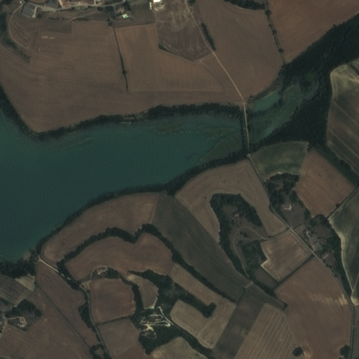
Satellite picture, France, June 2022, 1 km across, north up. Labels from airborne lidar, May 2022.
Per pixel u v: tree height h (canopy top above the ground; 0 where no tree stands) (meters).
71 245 0
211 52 0
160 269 0
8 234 0
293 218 0
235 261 7
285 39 0
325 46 12
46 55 0
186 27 0
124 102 0
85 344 0
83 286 6
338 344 0
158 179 0
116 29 0
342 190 0
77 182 0
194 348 10
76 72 0
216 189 0
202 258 0
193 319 0
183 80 0
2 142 0
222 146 0
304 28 0
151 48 0
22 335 0
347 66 0
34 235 0
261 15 0
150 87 0
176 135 0
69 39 0
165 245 9
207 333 0
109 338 0
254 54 0
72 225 0
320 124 7
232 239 0
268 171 0
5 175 0
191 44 0
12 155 0
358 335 0
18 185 0
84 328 0
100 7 12
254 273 0
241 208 8
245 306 0
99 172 0
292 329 0
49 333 0
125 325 0
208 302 0
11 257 0
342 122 0
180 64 0
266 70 0
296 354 9
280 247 0
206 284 8
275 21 0
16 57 0
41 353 0
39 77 0
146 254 0
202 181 0
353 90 0
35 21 0
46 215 0
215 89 0
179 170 0
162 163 0
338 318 0
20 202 0
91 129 0
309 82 17
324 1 0
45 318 0
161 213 0
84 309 9
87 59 0
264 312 0
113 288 0
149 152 0
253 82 0
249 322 0
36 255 8
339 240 9
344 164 13
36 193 0
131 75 0
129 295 0
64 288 0
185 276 0
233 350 0
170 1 0
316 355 0
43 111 0
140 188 10
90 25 0
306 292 0
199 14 0
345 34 18
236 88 0
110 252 0
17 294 0
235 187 0
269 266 0
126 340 0
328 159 0
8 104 11
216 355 0
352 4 0
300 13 0
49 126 0
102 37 0
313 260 0
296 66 10
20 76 0
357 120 0
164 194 0
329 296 0
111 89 0
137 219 0
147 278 9
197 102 0
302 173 0
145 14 0
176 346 0
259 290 0
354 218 0
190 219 0
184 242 0
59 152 0
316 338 0
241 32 0
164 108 12
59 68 0
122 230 12
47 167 0
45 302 0
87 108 0
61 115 0
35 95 0
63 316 0
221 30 0
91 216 0
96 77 0
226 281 0
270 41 0
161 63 0
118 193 7
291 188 8
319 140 13
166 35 0
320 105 11
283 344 0
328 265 10
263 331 0
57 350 0
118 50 0
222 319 0
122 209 0
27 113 0
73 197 0
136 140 0
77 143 0
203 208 0
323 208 0
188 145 0
